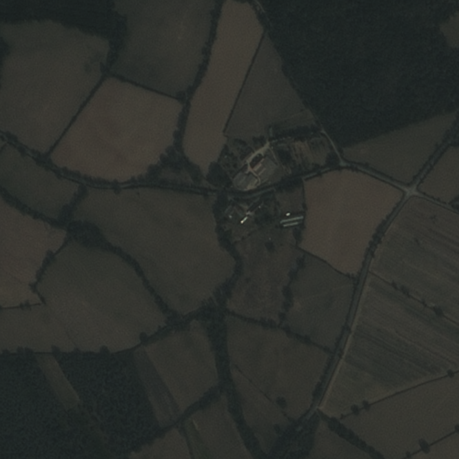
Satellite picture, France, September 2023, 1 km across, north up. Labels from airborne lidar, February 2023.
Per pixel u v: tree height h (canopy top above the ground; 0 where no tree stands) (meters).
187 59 0
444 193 0
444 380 0
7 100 0
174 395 0
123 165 0
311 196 0
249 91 0
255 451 15
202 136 0
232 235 0
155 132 0
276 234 0
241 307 0
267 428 0
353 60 22
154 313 0
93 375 16
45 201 0
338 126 16
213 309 23
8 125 0
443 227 0
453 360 0
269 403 0
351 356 0
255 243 0
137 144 0
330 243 0
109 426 15
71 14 14
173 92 0
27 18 17
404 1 19
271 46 0
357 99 16
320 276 0
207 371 0
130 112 0
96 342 0
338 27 17
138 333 0
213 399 18
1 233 0
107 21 18
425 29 21
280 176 0
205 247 0
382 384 0
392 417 0
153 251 0
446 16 19
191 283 0
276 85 0
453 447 0
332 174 0
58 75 0
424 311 0
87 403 12
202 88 0
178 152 7
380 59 19
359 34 16
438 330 0
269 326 15
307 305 0
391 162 0
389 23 20
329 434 0
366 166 9
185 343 0
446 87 22
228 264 0
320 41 20
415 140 0
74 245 0
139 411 12
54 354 18
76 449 10
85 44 0
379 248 0
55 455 14
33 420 15
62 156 0
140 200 0
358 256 0
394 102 18
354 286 9
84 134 0
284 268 0
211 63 0
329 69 22
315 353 0
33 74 0
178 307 0
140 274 10
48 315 0
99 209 0
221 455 0
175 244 0
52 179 0
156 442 0
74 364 14
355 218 0
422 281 0
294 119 0
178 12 0
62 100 0
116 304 0
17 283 0
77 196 14
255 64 0
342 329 9
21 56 0
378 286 0
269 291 0
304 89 18
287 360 0
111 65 7
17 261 0
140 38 0
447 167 0
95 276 0
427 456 0
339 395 0
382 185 0
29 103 0
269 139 6
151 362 0
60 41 0
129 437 9
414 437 0
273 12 9
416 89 22
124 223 0
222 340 10
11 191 0
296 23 18
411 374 0
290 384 0
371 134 18
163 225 0
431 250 0
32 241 0
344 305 0
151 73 0
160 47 0
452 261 0
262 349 0
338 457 0
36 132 0
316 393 9
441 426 0
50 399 13
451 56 19
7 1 20
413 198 0
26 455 15
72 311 0
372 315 0
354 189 0
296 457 10
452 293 0
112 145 0
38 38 0
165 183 15
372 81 18
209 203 0
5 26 0
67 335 0
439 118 0
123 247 0
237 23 0
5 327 0
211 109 0
